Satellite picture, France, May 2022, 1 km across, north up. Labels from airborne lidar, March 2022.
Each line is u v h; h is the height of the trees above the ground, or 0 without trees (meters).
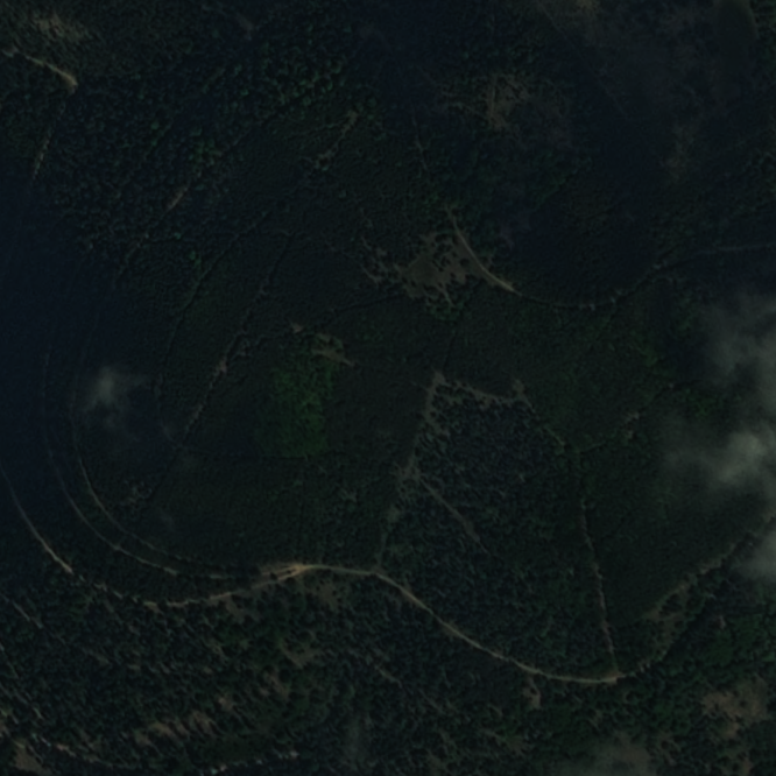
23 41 28
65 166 29
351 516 14
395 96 9
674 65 0
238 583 15
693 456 12
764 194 12
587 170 12
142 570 13
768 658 19
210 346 10
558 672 13
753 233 10
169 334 12
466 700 11
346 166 8
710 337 20
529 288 13
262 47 22
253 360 13
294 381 10
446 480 30
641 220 11
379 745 12
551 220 13
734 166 9
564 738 12
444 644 17
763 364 25
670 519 17
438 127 7
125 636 17
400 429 16
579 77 20
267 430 13
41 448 19
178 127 15
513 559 19
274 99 20
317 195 19
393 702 8
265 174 6
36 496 14
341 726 13
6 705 11
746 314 19
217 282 12
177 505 12
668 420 15
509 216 10
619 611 15
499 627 6
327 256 12
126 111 13
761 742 13
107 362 10
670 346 20
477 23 25
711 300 18
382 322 11
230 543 12
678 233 12
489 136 14
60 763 29
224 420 14
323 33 10
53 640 31
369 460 11
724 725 11
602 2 0
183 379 10
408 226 10
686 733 7
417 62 14
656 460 14
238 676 36
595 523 14
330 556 11
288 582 11
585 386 18
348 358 16
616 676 0
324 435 13
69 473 19
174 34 30
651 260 15
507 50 19
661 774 11
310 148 5
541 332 12
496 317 18
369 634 39
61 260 26
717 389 13
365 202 9
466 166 19
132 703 10
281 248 12
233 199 10
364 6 27
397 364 15
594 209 14
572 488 17
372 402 16
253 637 21
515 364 12
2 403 27
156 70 12
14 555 11
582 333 14
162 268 12
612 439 12
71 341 13
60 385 10
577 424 16
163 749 37
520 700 13
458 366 10
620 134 6
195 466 12
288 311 12
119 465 10
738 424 14
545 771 12
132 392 8
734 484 16
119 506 10
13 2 32
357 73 10
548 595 17
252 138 10
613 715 9
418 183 12
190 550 11
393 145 10
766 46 9
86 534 17
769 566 27
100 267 14
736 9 0
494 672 16
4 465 7
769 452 11
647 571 15
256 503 16
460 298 15
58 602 13
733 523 14
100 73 8
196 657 36
